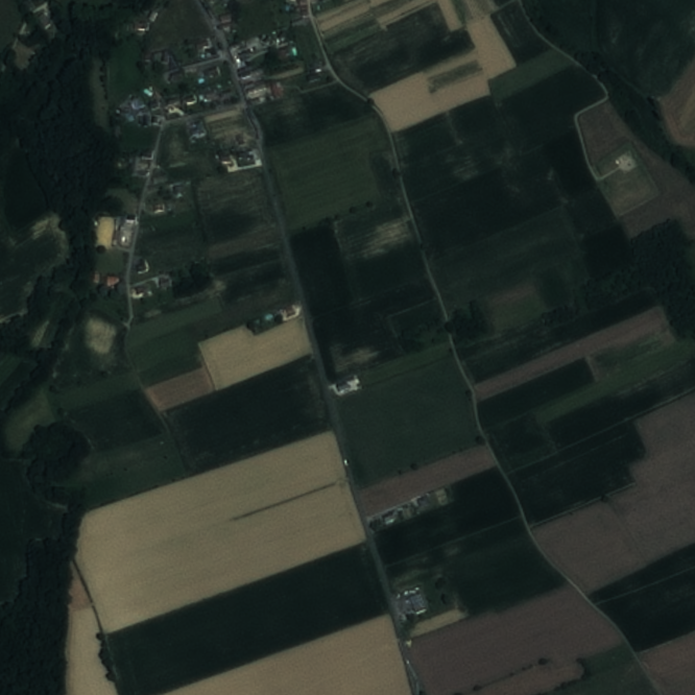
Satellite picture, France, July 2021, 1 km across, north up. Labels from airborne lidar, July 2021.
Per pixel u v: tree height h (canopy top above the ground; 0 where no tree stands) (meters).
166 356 0
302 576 0
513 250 0
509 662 0
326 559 0
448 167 0
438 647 0
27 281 0
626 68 0
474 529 0
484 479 0
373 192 0
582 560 0
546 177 0
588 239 0
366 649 0
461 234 0
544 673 0
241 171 0
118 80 0
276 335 0
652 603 0
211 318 0
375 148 0
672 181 0
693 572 0
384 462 0
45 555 18
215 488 0
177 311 0
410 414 0
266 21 0
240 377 0
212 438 0
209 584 0
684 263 11
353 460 0
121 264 0
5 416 15
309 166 0
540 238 0
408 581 0
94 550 0
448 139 0
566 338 0
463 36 0
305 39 0
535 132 0
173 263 0
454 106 0
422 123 0
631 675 0
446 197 0
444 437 0
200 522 0
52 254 0
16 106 19
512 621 0
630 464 0
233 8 8
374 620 0
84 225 24
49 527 0
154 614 0
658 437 0
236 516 0
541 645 0
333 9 0
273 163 0
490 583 0
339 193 0
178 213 0
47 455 6
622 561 0
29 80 15
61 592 20
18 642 13
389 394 0
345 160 0
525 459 0
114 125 12
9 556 0
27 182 0
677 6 0
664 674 0
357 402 0
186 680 0
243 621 0
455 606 0
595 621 0
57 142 30
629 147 0
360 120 0
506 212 0
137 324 0
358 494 0
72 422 0
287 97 0
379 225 0
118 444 0
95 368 0
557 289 0
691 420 0
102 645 8
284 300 0
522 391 0
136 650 0
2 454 14
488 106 0
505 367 0
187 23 0
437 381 0
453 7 0
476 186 0
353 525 0
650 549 0
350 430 0
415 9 0
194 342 0
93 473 0
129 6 8
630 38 0
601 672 0
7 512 0
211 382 0
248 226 0
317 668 0
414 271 0
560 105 0
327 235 0
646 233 8
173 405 0
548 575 0
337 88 0
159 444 0
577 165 0
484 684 0
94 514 0
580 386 0
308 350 0
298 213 0
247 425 0
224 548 0
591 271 0
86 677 0
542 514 0
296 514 0
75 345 0
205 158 0
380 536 0
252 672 0
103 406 0
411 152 0
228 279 0
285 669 0
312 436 0
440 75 0
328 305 0
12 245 0
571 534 0
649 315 0
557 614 0
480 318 10
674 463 0
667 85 0
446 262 0
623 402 0
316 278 0
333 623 0
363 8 0
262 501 0
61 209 18
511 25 0
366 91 0
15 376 0
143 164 0
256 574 0
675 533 0
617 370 0
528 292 0
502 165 0
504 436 0
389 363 0
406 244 0
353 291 0
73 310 7
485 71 0
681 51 0
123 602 0
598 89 0
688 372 0
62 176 18
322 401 0
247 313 0
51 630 22
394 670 0
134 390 0
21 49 0
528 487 0
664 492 0
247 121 0
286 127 0
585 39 0
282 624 0
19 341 9
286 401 0
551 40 6
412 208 0
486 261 0
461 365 0
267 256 0
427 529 0
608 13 0
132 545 0
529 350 0
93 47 17
